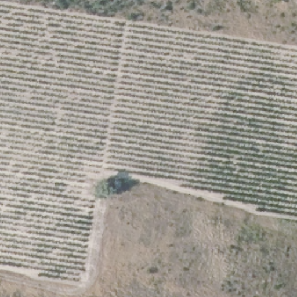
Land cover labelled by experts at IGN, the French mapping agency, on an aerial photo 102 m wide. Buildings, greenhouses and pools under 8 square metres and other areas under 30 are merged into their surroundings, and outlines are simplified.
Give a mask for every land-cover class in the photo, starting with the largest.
<instances>
[{"label":"vineyard","instance_id":"1","mask_svg":"<svg viewBox=\"0 0 297 297\"><path fill-rule=\"evenodd\" d=\"M84 166L107 167V171L117 173L118 169H126L130 174L129 178H130L131 174H138L150 178L175 180V183L183 188L211 191L223 194L225 200L254 204L258 211L297 217V45L265 41L258 37L229 35L220 30H193L148 21H132L123 16H97L68 8L26 5L19 0H0V265L34 269L38 270L39 276L80 282V278L66 277L64 274L78 276L79 273H73L70 269L86 270V256L74 253H86L93 212L104 213L107 208L101 205V198L94 196L95 186L99 181L88 178L85 174H77Z\"/></svg>","mask_w":297,"mask_h":297},{"label":"herbaceous vegetation","instance_id":"2","mask_svg":"<svg viewBox=\"0 0 297 297\"><path fill-rule=\"evenodd\" d=\"M259 7V12L252 14L251 19H247L246 14L241 12L237 0H144V5L137 3L131 8H123L116 16H123L132 21H148L193 30H220L229 35L258 37L265 41L297 45V0H251ZM108 187L113 188L116 194H111L104 200L101 198V205L107 208L104 213L99 256L93 259L97 276L89 287L80 288L77 285L39 281L27 275L0 269V297H297V220L256 216L225 203L205 200L203 197L130 178H129L114 175L108 179Z\"/></svg>","mask_w":297,"mask_h":297},{"label":"plowed land","instance_id":"3","mask_svg":"<svg viewBox=\"0 0 297 297\"><path fill-rule=\"evenodd\" d=\"M77 174H85L88 178L99 181L108 179L114 175L129 178L130 174L126 169H118L117 173L107 171V167L84 166ZM203 197L205 200L225 203L256 216L297 220V217L258 211L254 204L225 200L223 194L211 191L183 188L175 183V180L150 178L138 174H131L130 178ZM104 213L93 212L86 253H74L86 256V270L70 269L73 273H79L78 276L64 274L66 277L80 278V282L39 276L38 270L34 269L0 265V269L27 275L39 281L77 285L80 288L89 287L97 276L93 259L99 256Z\"/></svg>","mask_w":297,"mask_h":297},{"label":"brushwood","instance_id":"4","mask_svg":"<svg viewBox=\"0 0 297 297\"><path fill-rule=\"evenodd\" d=\"M26 5L68 8L97 16H116L123 8H131L137 3L144 5V0H19ZM241 12L246 14L247 19H251L252 14L259 12V7L251 0H237Z\"/></svg>","mask_w":297,"mask_h":297},{"label":"deciduous trees","instance_id":"5","mask_svg":"<svg viewBox=\"0 0 297 297\"><path fill-rule=\"evenodd\" d=\"M111 194H116L113 188L108 187V179L99 181L95 186L94 196L101 198L104 200Z\"/></svg>","mask_w":297,"mask_h":297}]
</instances>
